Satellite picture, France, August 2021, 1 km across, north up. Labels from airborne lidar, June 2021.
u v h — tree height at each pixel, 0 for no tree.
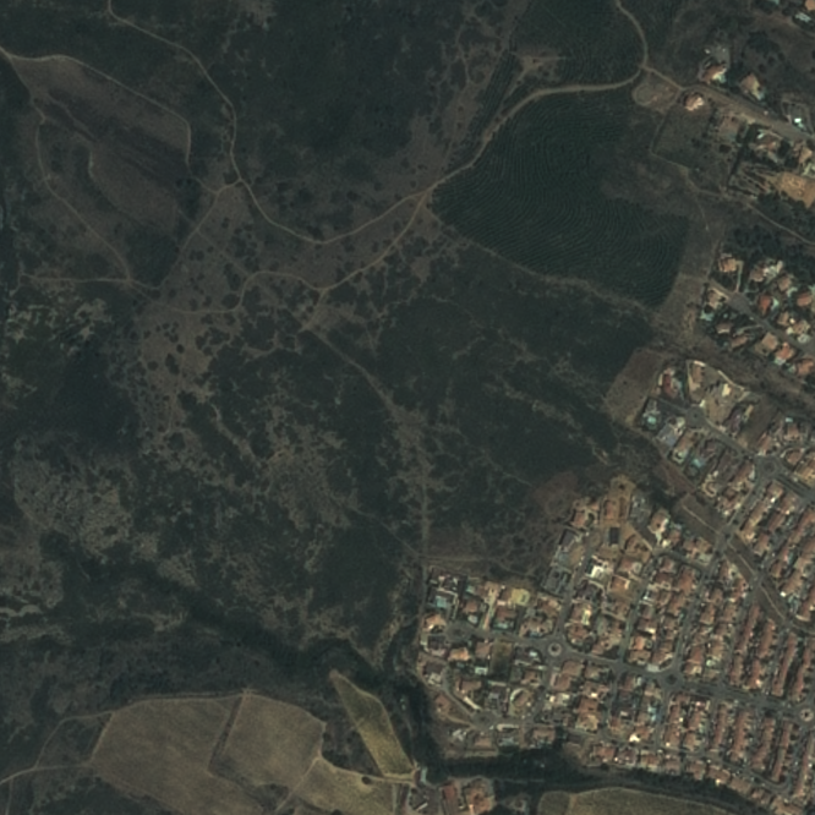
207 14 0
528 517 0
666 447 0
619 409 0
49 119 0
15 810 0
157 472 0
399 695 6
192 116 0
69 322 0
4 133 0
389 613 0
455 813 0
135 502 0
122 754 0
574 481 0
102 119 0
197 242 0
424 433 0
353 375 0
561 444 0
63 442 0
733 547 0
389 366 0
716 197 0
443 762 6
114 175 0
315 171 0
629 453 0
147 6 0
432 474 0
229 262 0
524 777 6
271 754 0
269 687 0
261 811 0
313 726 0
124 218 0
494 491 0
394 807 0
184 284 0
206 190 0
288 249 0
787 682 6
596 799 0
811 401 0
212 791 0
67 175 0
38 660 0
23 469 0
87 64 0
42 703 0
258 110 0
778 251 11
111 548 0
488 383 0
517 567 0
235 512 0
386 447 0
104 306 0
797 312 8
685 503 0
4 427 0
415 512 0
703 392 0
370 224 0
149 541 0
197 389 0
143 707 0
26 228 0
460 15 0
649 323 0
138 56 0
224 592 0
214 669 0
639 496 0
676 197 0
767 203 13
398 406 0
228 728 0
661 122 0
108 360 0
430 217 0
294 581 0
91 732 0
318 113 0
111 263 0
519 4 0
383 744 0
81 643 0
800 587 0
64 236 0
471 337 0
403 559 0
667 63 0
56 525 0
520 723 0
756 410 0
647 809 0
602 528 0
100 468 0
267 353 0
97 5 0
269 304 0
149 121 0
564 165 6
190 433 0
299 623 0
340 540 0
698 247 0
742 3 0
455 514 0
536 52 0
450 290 0
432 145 0
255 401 0
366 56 0
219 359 0
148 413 0
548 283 0
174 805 0
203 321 0
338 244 0
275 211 0
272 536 0
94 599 0
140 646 0
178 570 0
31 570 0
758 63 0
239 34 0
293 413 0
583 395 0
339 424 0
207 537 0
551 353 0
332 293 0
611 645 0
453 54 0
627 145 0
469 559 0
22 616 0
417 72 0
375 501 0
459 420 0
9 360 0
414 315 0
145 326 0
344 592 0
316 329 0
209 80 0
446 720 0
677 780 13
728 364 0
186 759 0
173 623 0
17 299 0
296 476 0
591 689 0
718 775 0
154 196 0
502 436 0
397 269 0
